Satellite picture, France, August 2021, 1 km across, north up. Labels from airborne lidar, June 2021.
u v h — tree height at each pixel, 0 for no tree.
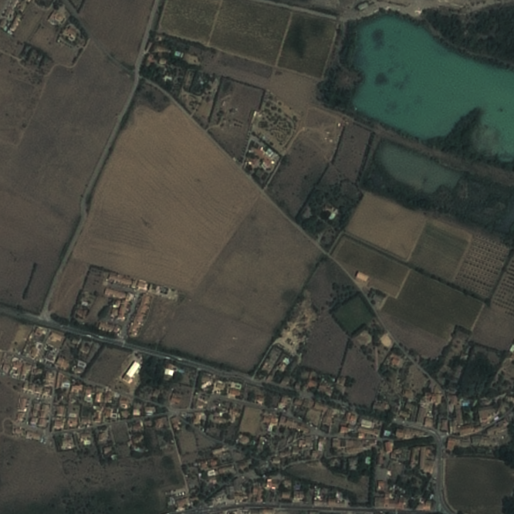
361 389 0
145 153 0
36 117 0
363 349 9
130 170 0
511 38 9
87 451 6
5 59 0
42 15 0
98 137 0
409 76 0
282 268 0
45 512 0
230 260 0
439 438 0
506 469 0
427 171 0
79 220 0
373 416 16
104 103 0
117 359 0
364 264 0
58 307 0
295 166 0
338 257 0
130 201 0
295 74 0
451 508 0
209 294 0
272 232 0
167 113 0
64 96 0
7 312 0
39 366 8
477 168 0
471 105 0
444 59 0
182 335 0
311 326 0
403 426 8
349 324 0
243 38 0
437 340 0
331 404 16
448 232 0
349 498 7
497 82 0
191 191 0
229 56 0
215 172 0
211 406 0
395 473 0
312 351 0
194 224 0
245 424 0
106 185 0
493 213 0
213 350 0
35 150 0
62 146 0
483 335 0
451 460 0
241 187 0
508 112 0
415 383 0
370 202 0
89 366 7
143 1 0
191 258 0
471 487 0
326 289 0
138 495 0
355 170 0
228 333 0
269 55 0
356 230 0
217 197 0
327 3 0
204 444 0
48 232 0
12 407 0
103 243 0
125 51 0
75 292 0
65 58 0
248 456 6
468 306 0
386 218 0
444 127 0
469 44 11
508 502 20
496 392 7
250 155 9
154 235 0
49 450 0
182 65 8
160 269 0
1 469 0
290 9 0
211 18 0
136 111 0
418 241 0
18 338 0
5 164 0
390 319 0
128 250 0
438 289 0
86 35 12
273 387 17
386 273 0
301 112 0
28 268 0
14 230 0
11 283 0
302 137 0
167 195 0
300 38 0
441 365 9
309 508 0
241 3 0
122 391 0
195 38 0
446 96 0
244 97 0
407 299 0
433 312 0
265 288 0
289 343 0
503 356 9
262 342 0
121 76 0
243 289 0
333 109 7
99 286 0
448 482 0
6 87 0
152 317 0
